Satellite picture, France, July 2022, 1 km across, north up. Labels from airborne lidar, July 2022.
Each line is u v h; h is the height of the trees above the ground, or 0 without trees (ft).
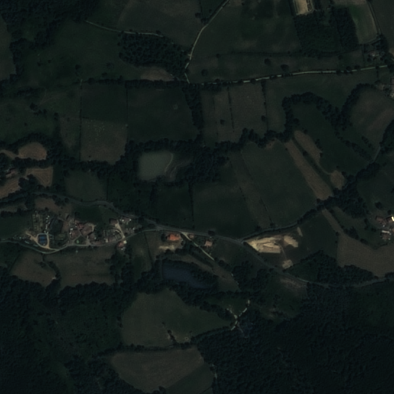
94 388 81
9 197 28
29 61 0
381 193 0
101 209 0
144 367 0
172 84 58
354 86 0
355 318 45
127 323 0
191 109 47
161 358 0
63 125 0
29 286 64
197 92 42
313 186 0
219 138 0
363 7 0
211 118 0
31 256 0
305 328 57
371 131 0
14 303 84
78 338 41
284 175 0
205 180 38
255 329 75
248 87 0
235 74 0
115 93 0
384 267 0
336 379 44
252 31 0
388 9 0
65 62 0
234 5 0
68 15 72
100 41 0
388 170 0
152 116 0
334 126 28
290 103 49
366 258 0
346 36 62
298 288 0
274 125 0
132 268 44
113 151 0
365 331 23
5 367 59
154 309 0
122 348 62
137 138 0
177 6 0
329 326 60
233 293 59
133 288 70
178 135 0
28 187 55
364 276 24
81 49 0
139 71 0
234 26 0
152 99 0
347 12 46
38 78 0
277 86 0
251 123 0
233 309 0
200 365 0
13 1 106
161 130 0
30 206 59
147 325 0
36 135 54
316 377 50
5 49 0
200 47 0
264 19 0
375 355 61
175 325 0
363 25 0
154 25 0
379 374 62
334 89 0
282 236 0
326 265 25
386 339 66
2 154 32
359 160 0
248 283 48
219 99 0
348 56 0
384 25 0
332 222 0
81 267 0
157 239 0
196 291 64
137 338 0
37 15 79
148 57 42
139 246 0
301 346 39
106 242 0
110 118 0
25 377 54
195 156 33
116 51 0
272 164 0
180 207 0
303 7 0
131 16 0
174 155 0
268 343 63
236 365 62
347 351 54
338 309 76
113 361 0
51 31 76
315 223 0
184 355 0
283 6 0
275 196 0
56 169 0
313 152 0
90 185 0
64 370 0
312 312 75
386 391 42
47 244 0
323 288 64
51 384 58
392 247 0
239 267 36
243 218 0
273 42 0
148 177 0
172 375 0
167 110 0
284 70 64
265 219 0
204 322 0
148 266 0
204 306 71
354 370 40
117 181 0
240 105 0
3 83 56
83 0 59
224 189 0
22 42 77
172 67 41
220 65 0
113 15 0
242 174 0
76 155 0
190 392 0
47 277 0
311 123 0
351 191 67
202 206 0
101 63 0
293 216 0
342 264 0
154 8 0
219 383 56
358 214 44
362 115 0
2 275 42
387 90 33
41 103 0
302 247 0
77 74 56
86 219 0
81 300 58
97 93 0
